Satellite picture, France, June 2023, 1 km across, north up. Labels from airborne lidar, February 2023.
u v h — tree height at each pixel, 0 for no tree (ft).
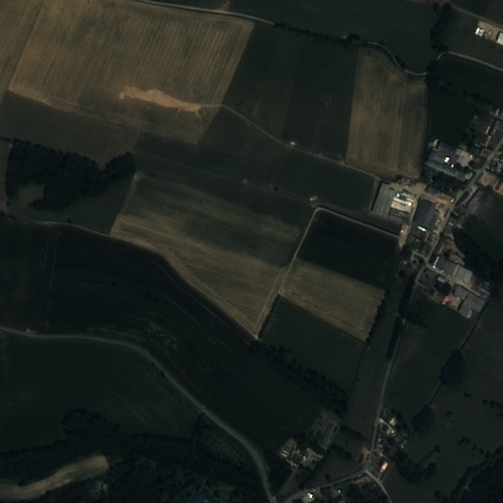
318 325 0
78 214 0
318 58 0
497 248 0
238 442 22
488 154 0
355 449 0
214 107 0
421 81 0
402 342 0
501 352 0
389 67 0
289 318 0
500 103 0
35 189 0
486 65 0
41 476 20
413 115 0
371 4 0
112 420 0
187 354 0
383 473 0
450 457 0
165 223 0
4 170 0
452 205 0
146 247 0
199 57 0
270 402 0
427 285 0
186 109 0
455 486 0
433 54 0
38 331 0
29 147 52
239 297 0
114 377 0
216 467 66
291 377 97
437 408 0
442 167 0
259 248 0
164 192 0
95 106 0
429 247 0
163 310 0
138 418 0
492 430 0
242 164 0
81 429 79
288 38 0
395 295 0
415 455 0
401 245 0
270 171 0
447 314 0
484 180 0
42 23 0
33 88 0
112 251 0
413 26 0
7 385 0
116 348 0
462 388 0
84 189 70
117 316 0
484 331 0
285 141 0
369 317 0
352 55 0
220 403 0
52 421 0
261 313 0
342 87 0
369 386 0
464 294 0
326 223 0
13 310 0
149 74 0
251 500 38
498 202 0
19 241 0
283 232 0
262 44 0
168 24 0
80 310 0
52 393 0
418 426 93
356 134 0
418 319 29
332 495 0
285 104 0
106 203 0
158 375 0
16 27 0
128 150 0
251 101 0
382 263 0
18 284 0
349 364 0
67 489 35
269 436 0
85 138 0
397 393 0
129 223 0
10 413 0
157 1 0
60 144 0
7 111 0
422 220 0
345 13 0
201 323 0
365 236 0
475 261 100
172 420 0
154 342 0
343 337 0
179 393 0
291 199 0
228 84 0
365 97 0
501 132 0
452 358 0
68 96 0
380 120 0
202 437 39
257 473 25
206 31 0
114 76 0
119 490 43
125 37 0
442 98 0
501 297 81
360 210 0
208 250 0
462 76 0
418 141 0
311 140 0
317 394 80
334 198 0
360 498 61
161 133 0
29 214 0
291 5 0
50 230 0
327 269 0
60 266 0
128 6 0
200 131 0
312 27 0
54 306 0
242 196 0
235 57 0
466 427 0
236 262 0
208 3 0
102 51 0
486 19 0
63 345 0
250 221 0
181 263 0
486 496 116
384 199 0
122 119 0
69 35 0
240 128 0
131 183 0
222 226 0
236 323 0
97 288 0
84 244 0
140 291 0
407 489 0
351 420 0
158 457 56
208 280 0
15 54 0
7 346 0
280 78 0
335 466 0
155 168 0
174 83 0
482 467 25
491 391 0
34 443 0
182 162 0
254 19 0
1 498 0
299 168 0
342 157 0
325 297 0
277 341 0
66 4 0
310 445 27
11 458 55
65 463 28
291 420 0
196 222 0
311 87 0
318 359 0
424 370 0
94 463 0
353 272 0
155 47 0
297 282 0
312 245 0
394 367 0
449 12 47
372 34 0
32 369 0
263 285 0
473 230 0
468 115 0
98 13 0
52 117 0
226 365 0
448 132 0
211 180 0
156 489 46
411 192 0
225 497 0
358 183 0
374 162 0
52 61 0
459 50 0
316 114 0
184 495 0
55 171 19
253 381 0
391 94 0
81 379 0
